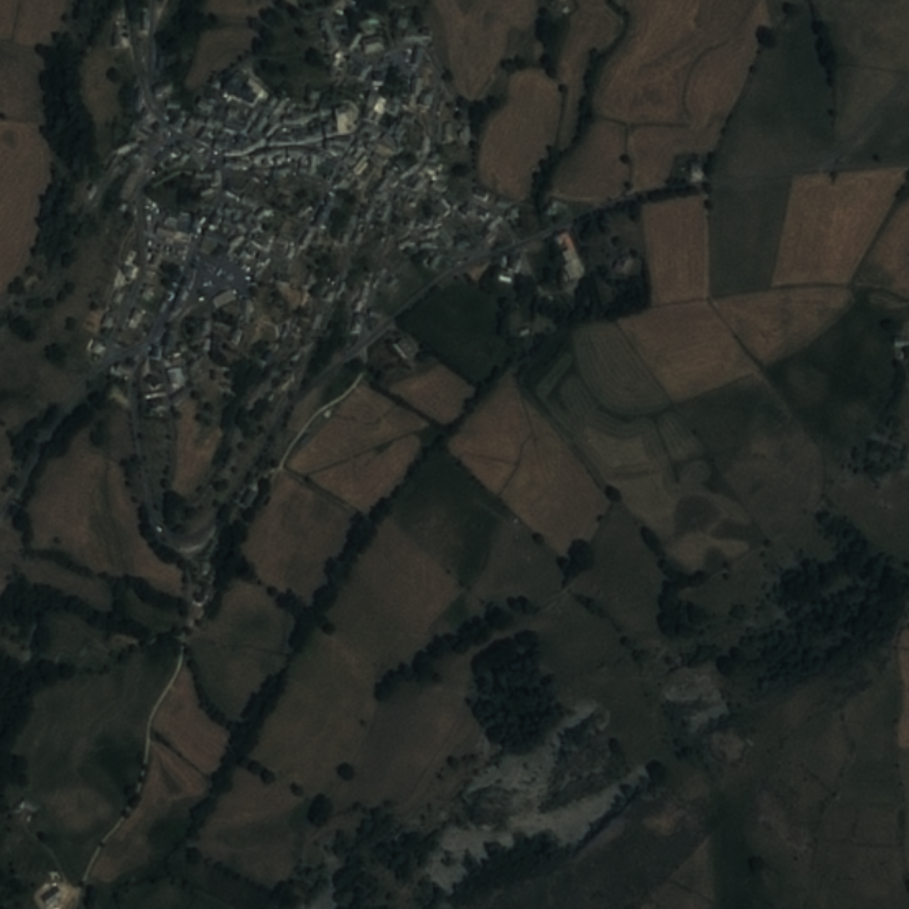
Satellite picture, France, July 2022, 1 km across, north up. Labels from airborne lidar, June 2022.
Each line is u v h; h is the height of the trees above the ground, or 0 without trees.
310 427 0
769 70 0
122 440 0
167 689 0
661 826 0
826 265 0
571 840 0
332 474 0
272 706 17
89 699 0
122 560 0
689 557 0
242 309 0
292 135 0
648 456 0
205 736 0
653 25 0
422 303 8
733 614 7
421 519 0
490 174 0
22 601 27
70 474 0
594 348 0
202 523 0
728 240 0
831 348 0
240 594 0
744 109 0
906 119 0
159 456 0
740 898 0
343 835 7
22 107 0
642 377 0
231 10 0
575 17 0
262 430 11
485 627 20
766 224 0
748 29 0
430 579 0
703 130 0
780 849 0
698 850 0
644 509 0
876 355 0
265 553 0
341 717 0
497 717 21
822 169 0
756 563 0
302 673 0
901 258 0
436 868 0
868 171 0
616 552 0
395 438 0
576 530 0
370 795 0
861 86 0
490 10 0
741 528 0
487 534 0
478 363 0
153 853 0
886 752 0
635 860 0
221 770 9
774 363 0
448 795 0
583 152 0
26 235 0
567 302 0
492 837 0
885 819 0
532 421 0
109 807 0
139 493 0
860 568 18
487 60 0
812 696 0
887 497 0
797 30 0
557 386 0
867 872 0
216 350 12
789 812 0
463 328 0
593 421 0
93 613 13
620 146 0
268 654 0
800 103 0
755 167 0
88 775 0
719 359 0
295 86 0
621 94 0
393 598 0
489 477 0
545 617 0
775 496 0
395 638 0
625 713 0
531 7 0
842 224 0
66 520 0
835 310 0
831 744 0
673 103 0
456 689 0
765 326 0
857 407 0
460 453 0
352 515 0
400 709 0
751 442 0
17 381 0
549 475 0
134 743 0
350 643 0
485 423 0
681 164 0
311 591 0
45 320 0
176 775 0
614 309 7
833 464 0
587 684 0
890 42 0
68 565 8
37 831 0
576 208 0
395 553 0
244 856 0
